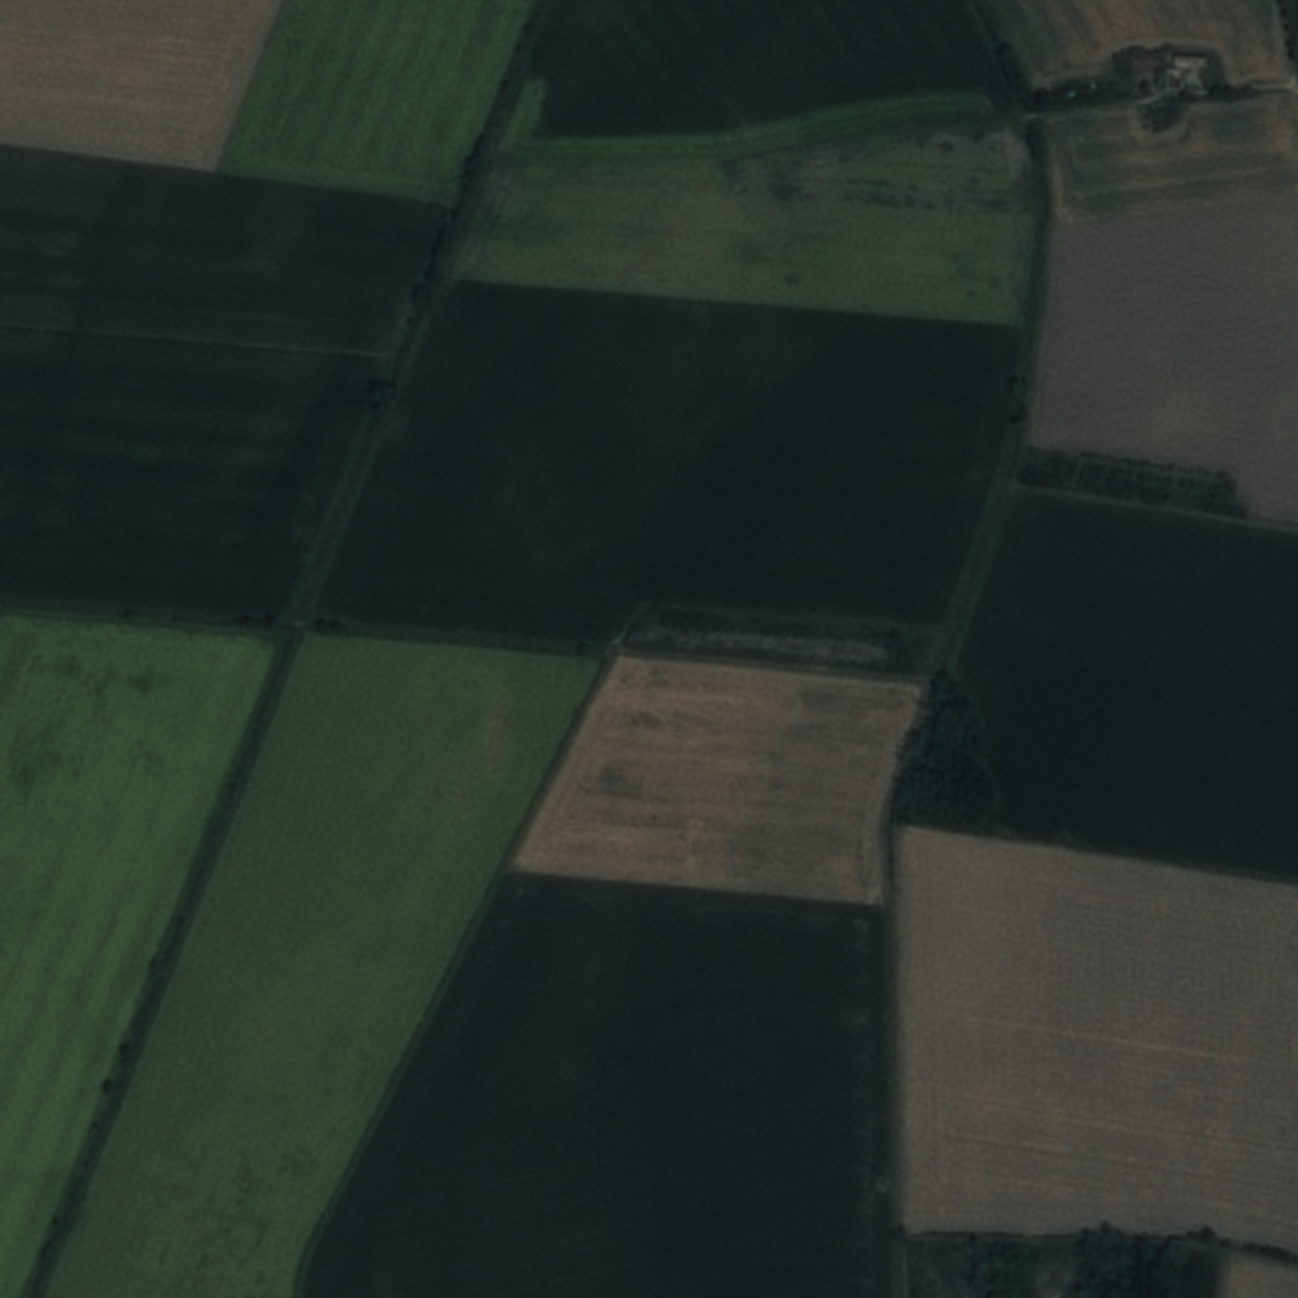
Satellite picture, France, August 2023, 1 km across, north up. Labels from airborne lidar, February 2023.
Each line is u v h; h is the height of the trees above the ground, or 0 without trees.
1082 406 0
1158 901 0
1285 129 0
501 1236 0
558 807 0
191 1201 0
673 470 0
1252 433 0
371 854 0
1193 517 0
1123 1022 0
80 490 0
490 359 0
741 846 0
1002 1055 0
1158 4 0
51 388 0
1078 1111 0
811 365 0
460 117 0
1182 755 0
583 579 0
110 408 0
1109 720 0
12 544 0
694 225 0
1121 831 0
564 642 0
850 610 0
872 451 0
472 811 0
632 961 0
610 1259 0
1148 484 7
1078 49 0
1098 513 0
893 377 0
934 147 0
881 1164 0
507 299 0
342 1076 0
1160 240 0
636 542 0
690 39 0
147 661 0
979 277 0
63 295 0
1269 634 0
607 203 0
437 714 0
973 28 0
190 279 0
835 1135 0
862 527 0
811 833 0
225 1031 0
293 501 0
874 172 0
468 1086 0
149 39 0
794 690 0
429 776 0
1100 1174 0
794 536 0
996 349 0
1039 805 0
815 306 0
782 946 0
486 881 0
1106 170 0
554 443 0
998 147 0
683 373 0
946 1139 0
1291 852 0
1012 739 0
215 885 0
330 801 0
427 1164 0
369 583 0
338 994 0
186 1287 0
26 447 0
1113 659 0
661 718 0
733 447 0
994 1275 6
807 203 0
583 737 0
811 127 0
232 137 0
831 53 0
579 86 0
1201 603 0
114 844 0
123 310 0
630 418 0
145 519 0
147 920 0
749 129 0
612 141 0
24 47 0
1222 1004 0
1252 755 0
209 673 0
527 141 0
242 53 0
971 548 0
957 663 0
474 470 0
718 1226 0
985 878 0
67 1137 0
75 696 0
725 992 0
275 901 0
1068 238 0
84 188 0
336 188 0
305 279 0
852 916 0
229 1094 0
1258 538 0
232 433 0
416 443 0
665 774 0
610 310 0
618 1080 0
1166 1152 0
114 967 0
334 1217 0
